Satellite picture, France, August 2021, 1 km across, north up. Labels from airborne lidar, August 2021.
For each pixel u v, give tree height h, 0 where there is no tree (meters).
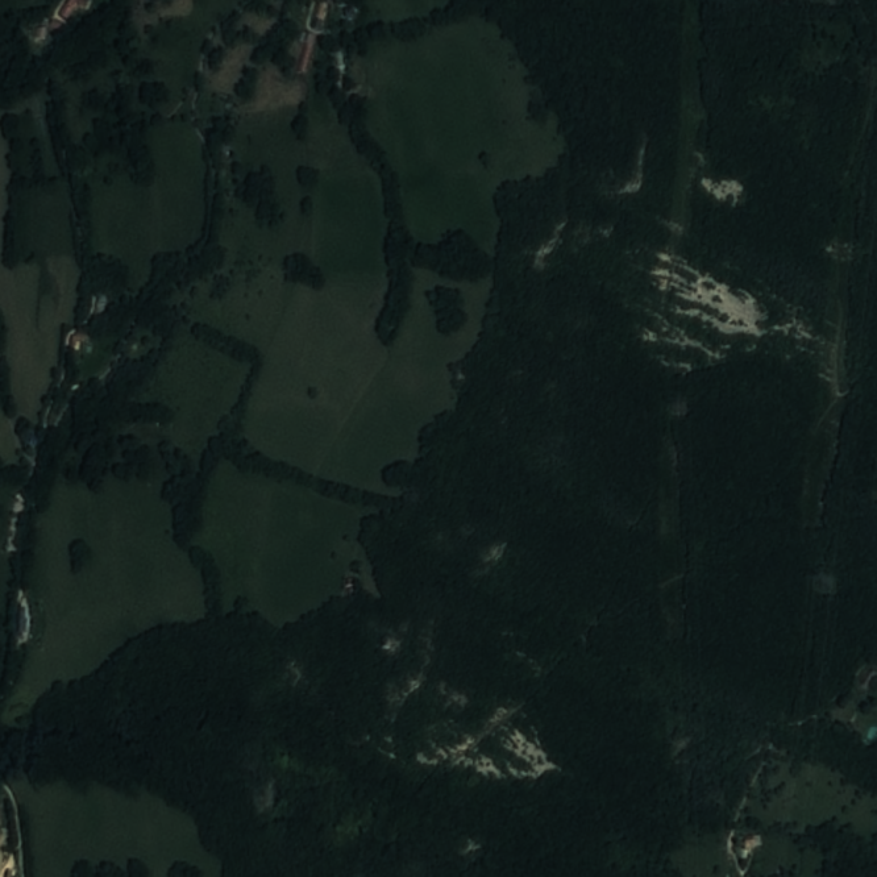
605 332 20
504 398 15
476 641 13
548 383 12
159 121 15
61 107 18
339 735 15
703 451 19
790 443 19
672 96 17
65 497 0
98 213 0
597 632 15
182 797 16
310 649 15
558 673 15
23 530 19
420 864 10
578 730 10
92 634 0
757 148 22
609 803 17
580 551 19
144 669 22
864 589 15
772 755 9
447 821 19
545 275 12
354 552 0
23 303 0
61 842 0
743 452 18
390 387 0
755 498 20
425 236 0
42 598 0
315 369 0
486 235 0
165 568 0
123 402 22
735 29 16
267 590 0
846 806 10
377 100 0
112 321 20
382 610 12
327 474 0
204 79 15
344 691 15
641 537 16
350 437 0
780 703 11
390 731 11
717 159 13
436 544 7
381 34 22
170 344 14
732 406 17
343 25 10
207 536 0
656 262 6
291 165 0
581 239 9
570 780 15
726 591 16
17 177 10
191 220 0
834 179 14
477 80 0
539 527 15
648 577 16
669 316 9
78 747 30
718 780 11
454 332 12
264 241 0
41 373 0
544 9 22
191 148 0
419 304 0
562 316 12
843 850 13
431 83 0
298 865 24
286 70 11
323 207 0
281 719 26
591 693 19
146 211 0
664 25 17
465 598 11
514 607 15
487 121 0
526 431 10
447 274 14
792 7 14
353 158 0
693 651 13
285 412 0
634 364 17
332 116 0
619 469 15
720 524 17
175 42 0
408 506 14
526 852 27
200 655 16
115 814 0
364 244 0
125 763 11
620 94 21
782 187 20
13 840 17
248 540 0
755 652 15
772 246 18
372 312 0
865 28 11
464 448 20
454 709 6
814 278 14
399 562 28
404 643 7
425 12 0
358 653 16
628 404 20
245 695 19
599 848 23
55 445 15
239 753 19
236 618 15
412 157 0
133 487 0
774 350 9
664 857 15
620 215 12
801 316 7
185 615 0
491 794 17
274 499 0
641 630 10
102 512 0
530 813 15
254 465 19
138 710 23
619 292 8
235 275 10
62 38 19
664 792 14
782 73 13
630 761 15
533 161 0
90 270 13
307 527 0
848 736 15
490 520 13
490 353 14
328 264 0
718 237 14
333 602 9
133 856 0
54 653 0
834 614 12
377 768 30
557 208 17
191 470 19
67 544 0
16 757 22
